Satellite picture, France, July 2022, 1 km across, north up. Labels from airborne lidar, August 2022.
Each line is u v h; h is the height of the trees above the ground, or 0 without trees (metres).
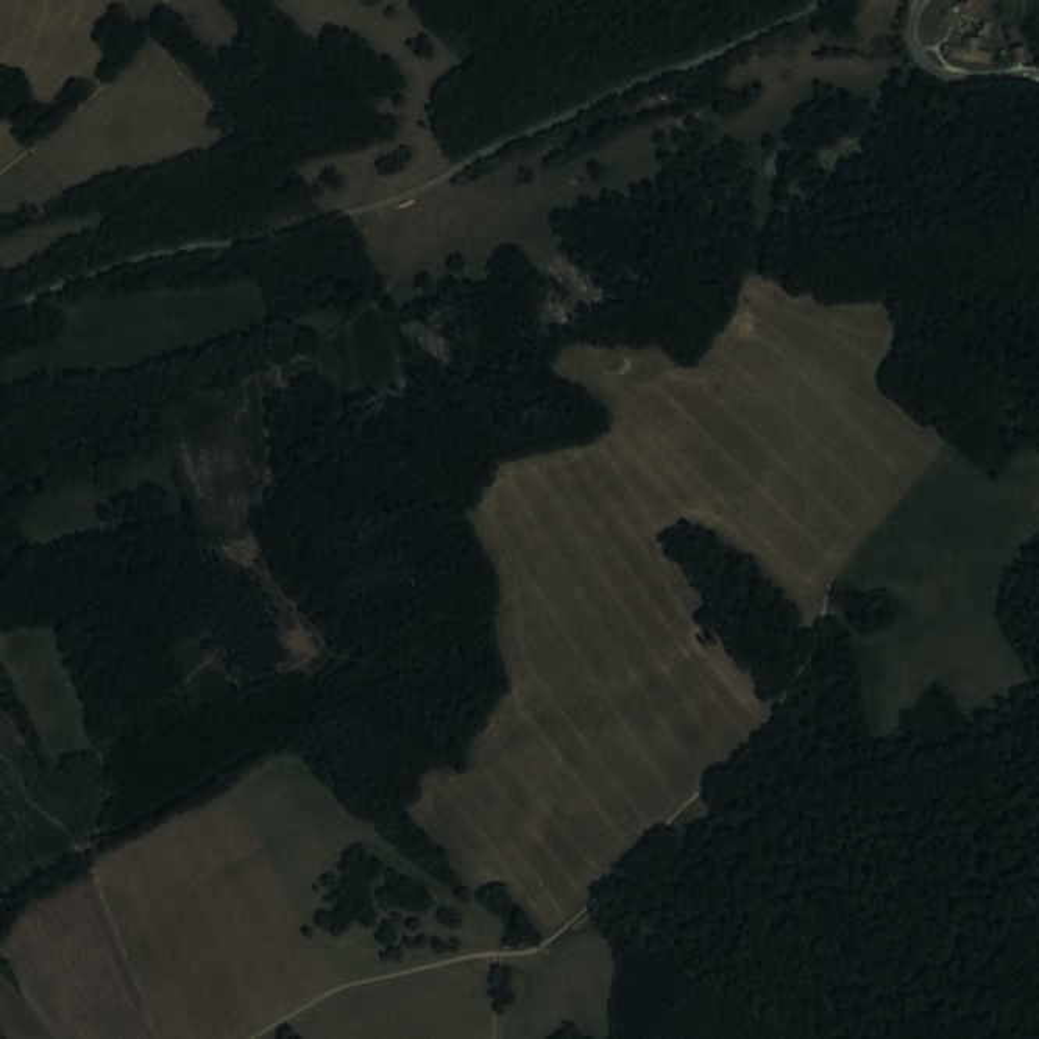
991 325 24
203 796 18
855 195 25
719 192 15
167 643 19
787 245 23
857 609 8
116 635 21
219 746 9
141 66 0
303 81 19
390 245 0
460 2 11
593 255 24
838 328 0
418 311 9
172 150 0
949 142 22
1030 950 28
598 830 0
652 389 0
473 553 19
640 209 16
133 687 21
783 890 21
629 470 0
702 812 0
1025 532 0
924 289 23
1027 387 19
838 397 0
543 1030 0
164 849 0
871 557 0
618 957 9
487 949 0
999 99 20
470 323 28
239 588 13
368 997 0
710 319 25
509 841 0
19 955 0
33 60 0
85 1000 0
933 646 0
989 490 0
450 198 0
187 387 17
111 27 19
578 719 0
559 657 0
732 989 14
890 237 25
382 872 13
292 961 0
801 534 0
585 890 0
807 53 0
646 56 12
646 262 24
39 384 21
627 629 0
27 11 0
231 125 15
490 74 13
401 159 12
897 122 26
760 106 0
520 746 0
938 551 0
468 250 0
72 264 20
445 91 16
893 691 0
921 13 0
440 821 0
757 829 26
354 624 19
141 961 0
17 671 0
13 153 0
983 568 0
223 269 17
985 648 0
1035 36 17
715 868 20
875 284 22
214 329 0
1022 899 28
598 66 9
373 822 12
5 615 26
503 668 16
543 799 0
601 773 0
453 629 21
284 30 21
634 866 19
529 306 6
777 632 19
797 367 0
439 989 0
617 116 16
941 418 26
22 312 16
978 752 23
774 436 0
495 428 35
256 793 0
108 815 10
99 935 0
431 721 18
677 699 0
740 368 0
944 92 15
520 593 0
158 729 7
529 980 0
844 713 14
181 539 30
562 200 0
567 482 0
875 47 0
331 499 28
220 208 14
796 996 17
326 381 22
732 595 21
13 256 0
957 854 22
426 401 28
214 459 0
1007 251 16
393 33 0
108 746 21
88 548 29
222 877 0
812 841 18
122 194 13
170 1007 0
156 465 0
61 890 16
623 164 0
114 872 0
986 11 0
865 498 0
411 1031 0
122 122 0
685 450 0
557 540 0
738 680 0
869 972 20
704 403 0
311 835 0
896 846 15
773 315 0
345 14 0
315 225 16
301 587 21
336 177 19
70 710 0
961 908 27
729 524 0
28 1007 0
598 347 20
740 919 22
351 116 18
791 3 18
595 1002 0
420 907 15
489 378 26
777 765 24
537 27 9
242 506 0
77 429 21
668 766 0
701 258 18
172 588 21
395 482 28
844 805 21
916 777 21
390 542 16
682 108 14
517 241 0
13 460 19
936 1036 18
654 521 0
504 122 17
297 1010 0
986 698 0
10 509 29
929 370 27
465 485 20
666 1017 12
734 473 0
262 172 17
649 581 0
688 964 14
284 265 17
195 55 22
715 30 7
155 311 0
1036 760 11
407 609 20
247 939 0
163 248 13
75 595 24
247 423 0
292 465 23
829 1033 16
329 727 16
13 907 18
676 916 20
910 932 17
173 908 0
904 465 0
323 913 9
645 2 16
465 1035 0
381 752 16
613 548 0
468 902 11
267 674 23
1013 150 21
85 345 0
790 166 20
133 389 15
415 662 18
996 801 20
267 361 21
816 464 0
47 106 6
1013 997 21
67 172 0
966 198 26
